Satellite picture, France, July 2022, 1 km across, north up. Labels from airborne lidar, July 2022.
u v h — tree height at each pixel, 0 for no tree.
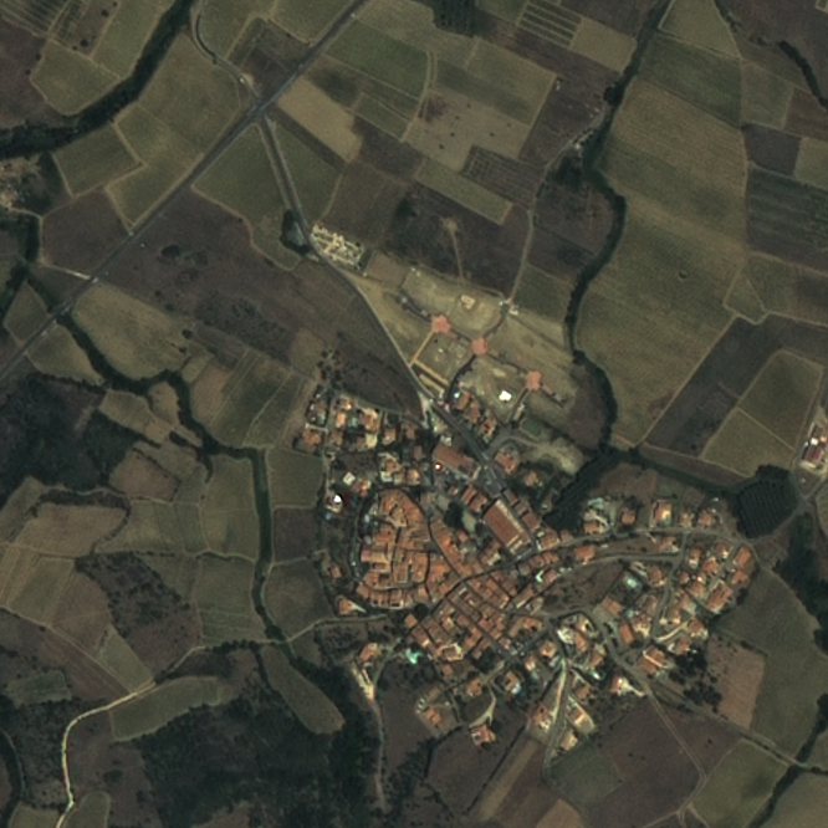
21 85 0
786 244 0
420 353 0
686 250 0
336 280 0
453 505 8
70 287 0
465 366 0
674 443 0
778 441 0
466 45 0
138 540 0
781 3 0
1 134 11
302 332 0
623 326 0
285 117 0
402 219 0
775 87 0
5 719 8
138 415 0
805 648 0
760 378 0
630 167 0
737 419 0
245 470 0
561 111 0
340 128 0
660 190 0
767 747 6
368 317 0
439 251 0
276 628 10
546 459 0
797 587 6
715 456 0
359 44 0
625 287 0
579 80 0
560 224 0
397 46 0
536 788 0
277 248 0
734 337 0
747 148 0
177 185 0
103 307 0
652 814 0
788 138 0
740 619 0
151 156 0
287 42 0
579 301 9
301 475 0
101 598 0
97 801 0
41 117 0
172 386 8
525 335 0
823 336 0
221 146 0
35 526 0
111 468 6
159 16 0
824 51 0
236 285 0
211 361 0
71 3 0
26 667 0
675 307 0
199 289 0
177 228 0
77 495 6
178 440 10
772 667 0
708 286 0
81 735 0
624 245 0
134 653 0
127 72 0
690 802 0
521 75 0
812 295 0
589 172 6
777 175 0
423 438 7
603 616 0
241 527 0
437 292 0
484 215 0
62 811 8
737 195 0
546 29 0
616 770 0
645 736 0
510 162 0
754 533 10
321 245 0
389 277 0
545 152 0
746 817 0
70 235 0
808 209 0
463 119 0
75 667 0
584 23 0
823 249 0
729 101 0
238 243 0
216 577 0
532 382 0
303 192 0
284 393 0
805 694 0
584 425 0
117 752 0
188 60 0
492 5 0
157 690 0
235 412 0
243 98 0
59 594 0
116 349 0
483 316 0
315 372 0
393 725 0
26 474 6
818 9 0
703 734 0
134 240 0
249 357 0
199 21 0
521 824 0
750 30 0
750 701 0
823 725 9
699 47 0
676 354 0
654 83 0
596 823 0
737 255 0
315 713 0
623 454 6
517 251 0
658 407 0
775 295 0
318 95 0
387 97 0
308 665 6
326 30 0
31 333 0
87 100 0
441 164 0
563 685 0
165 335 0
